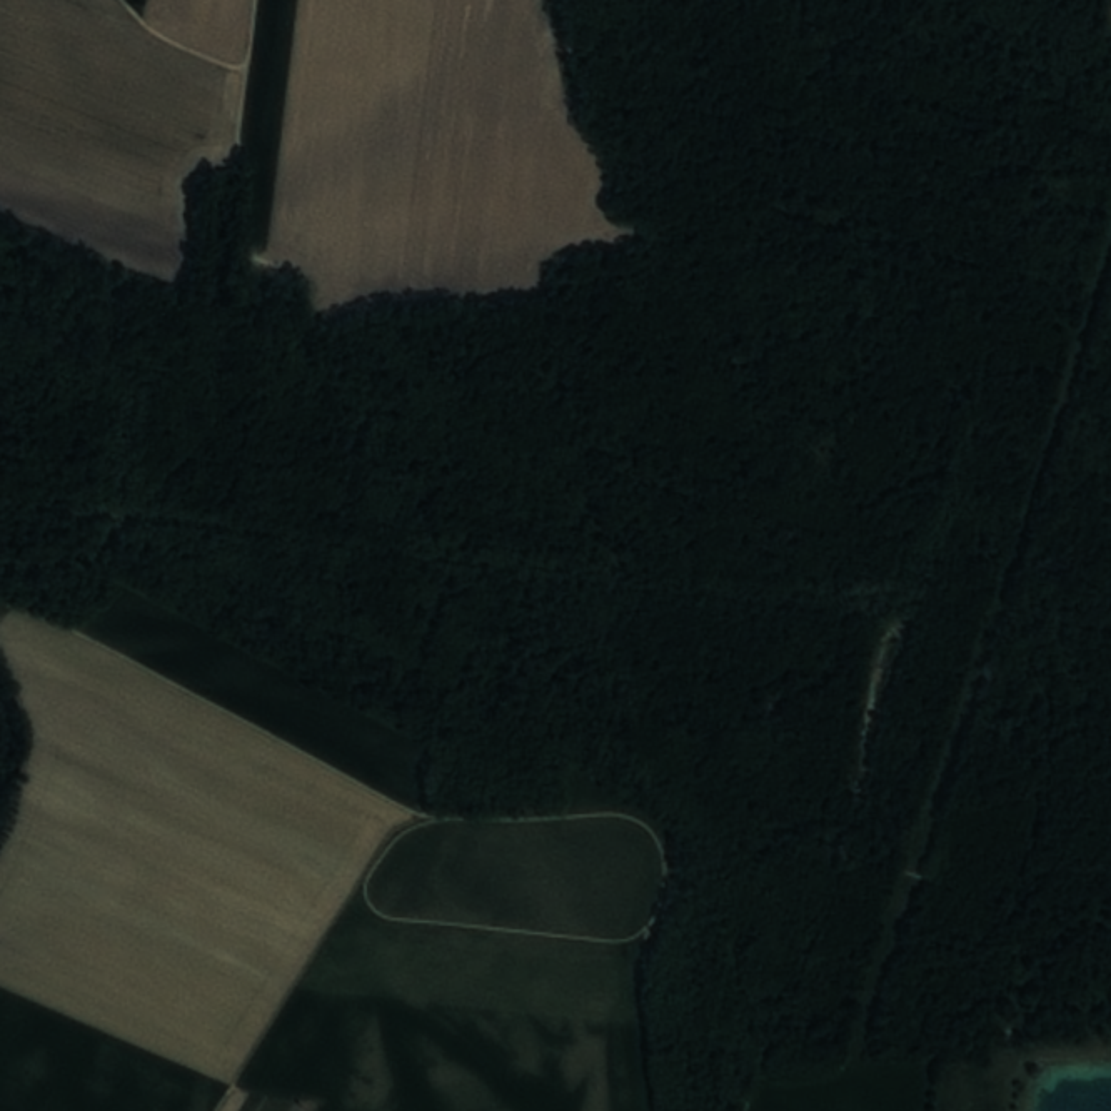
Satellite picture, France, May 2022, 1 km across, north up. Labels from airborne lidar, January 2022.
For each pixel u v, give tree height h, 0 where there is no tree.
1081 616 18
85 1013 0
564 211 0
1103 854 15
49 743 0
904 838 16
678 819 12
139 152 0
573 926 0
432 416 20
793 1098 0
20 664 0
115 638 0
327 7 0
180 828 0
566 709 22
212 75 0
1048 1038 20
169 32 0
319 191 0
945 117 15
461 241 0
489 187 0
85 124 0
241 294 19
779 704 17
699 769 14
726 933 6
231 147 0
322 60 0
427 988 0
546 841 0
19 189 0
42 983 0
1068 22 20
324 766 0
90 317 17
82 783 0
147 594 20
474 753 7
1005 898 16
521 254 0
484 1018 0
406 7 0
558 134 0
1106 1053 0
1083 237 21
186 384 11
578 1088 0
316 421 15
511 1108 0
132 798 0
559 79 0
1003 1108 0
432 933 0
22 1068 0
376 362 24
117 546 17
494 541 8
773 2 21
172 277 0
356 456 22
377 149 0
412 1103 0
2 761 18
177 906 0
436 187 0
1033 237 13
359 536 20
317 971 0
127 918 0
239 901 0
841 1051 17
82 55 0
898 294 19
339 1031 0
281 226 0
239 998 0
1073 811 20
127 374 15
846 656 21
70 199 0
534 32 0
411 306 23
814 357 19
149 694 0
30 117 0
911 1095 0
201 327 0
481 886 0
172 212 0
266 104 0
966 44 18
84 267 33
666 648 21
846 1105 0
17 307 12
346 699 17
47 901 0
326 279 0
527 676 26
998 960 19
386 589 19
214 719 0
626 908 0
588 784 0
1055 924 19
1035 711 15
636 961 0
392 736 0
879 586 24
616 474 18
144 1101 0
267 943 0
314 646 19
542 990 0
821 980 15
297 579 15
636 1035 0
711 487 15
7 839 0
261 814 0
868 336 14
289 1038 0
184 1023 0
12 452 8
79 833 0
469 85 0
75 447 25
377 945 0
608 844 0
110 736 0
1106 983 15
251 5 0
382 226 0
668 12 17
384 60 0
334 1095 0
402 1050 0
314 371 16
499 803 7
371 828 0
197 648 0
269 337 18
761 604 17
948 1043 19
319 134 0
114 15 0
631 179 16
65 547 13
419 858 0
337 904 0
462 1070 0
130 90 0
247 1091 0
